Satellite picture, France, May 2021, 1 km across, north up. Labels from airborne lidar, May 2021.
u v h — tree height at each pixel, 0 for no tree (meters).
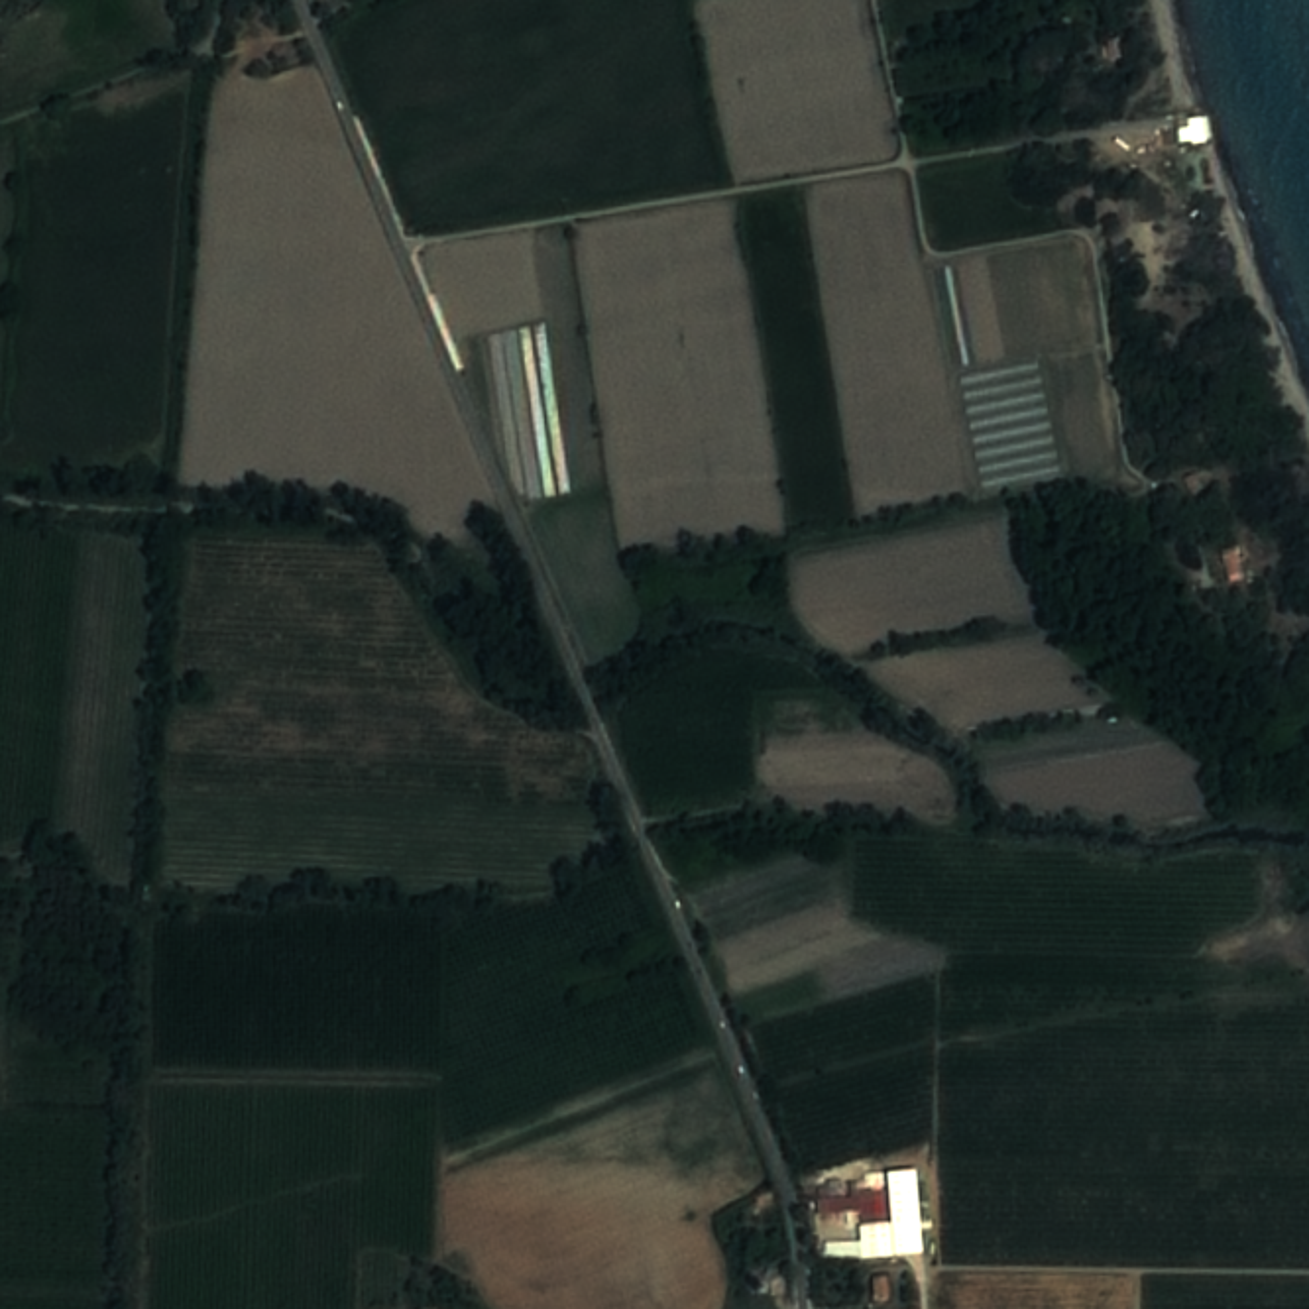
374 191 0
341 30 11
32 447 0
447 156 0
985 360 0
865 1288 6
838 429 0
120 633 0
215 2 11
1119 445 0
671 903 0
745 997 0
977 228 0
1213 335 14
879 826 25
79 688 0
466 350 0
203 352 0
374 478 0
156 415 0
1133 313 12
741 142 0
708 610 7
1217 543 15
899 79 6
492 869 0
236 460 0
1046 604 22
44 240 0
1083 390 0
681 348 0
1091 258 0
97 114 0
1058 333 0
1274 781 15
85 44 0
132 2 0
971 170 0
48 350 0
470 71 0
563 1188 0
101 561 0
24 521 12
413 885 0
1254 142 0
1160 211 0
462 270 0
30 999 10
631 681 13
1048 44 18
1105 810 0
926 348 0
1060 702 0
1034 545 21
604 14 0
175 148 0
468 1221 0
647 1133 0
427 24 0
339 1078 0
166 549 20
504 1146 0
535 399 0
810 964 0
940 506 12
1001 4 19
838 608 0
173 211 0
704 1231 0
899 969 0
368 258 0
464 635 16
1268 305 0
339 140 0
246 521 9
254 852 0
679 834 7
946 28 17
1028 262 0
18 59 0
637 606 0
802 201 0
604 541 0
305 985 5
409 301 0
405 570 11
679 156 0
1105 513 24
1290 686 14
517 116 0
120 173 0
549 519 0
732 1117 0
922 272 0
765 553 6
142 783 18
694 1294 0
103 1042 6
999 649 0
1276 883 0
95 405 0
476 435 0
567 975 0
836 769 0
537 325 0
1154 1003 7
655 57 0
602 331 0
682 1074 0
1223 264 7
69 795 0
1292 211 0
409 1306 0
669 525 0
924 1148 0
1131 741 0
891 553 0
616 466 0
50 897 13
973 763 9
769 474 0
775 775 0
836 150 0
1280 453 5
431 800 0
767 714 0
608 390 0
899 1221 0
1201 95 0
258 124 0
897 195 0
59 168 0
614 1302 0
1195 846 6
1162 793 0
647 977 12
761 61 0
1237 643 11
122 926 8
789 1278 11
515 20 0
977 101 17
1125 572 23
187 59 13
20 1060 0
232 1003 5
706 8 0
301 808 0
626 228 0
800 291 0
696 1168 0
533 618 27
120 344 0
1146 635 25
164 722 18
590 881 11
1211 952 0
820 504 0
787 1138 9
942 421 0
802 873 0
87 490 6
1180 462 12
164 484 6
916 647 13
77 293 0
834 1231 0
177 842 0
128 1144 13
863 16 0
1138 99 0
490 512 29
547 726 23
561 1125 0
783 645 7
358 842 0
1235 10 0
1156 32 9
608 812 23
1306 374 0
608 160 0
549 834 0
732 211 0
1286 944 0
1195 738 17
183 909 13
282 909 16
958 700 0
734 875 0
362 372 0
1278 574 9
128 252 0
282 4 11
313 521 29
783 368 0
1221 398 6
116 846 0
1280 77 0
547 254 0
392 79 0
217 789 0
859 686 18
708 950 9
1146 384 15
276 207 0
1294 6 0
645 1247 0
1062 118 8
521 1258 0
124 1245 18
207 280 0
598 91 0
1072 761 0
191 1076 0
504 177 0
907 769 0
